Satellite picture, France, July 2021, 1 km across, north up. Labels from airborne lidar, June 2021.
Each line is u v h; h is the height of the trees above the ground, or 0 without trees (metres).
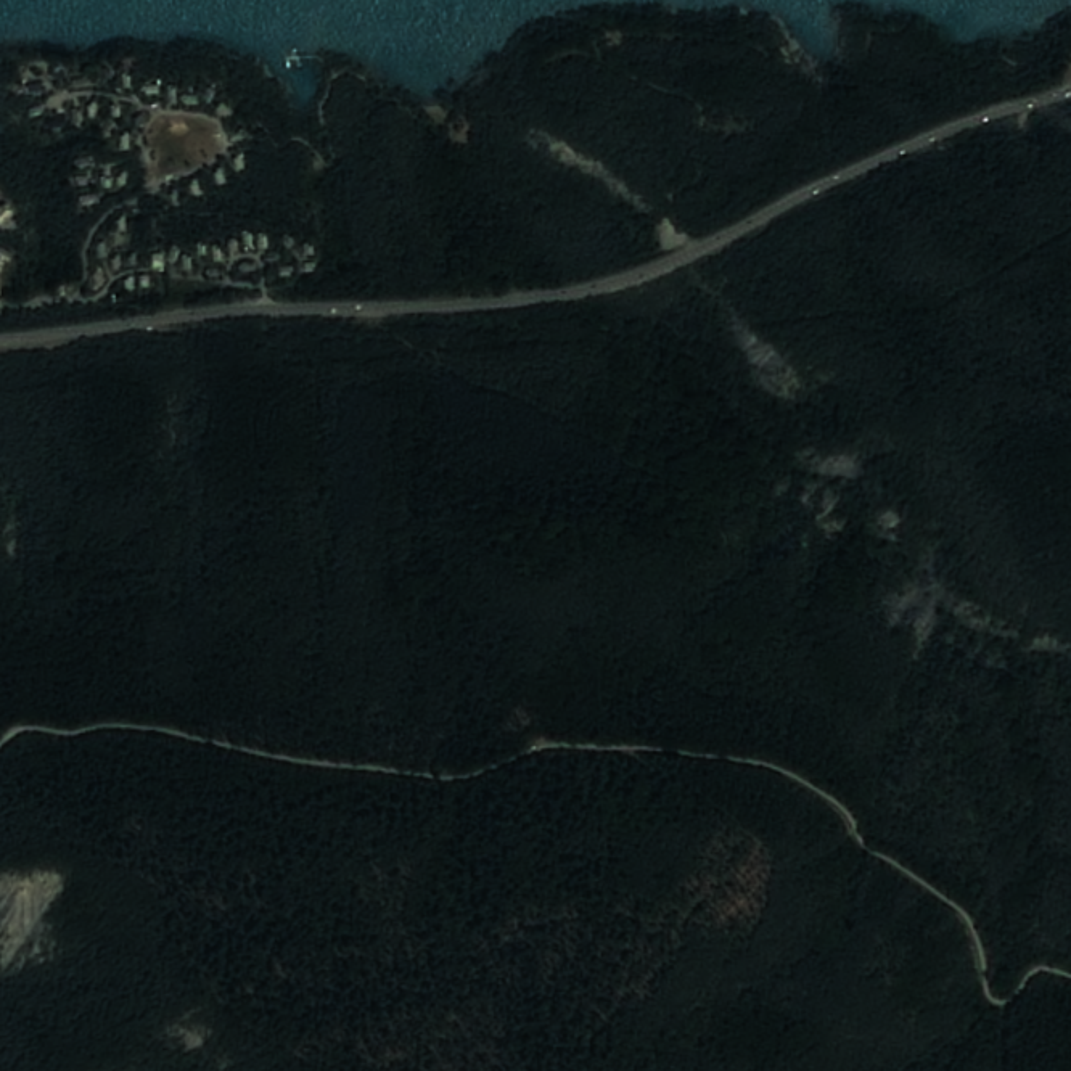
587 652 9
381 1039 14
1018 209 7
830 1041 7
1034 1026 11
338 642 10
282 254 7
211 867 18
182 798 14
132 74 10
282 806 9
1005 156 8
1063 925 6
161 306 10
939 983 7
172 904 14
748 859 11
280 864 12
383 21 0
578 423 14
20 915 0
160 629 9
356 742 17
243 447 13
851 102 11
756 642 17
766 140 9
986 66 6
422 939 17
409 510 9
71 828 9
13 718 8
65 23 0
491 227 14
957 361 9
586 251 7
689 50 10
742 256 7
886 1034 7
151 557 7
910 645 5
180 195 9
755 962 9
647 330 14
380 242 8
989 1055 7
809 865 6
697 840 11
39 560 8
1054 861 11
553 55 7
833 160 8
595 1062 11
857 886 9
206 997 8
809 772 10
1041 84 9
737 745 13
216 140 0
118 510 10
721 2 0
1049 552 8
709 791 15
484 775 6
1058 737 10
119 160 7
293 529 11
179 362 7
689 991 10
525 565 14
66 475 10
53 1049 8
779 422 16
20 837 8
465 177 13
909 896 9
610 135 8
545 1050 18
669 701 17
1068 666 8
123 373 9
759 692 17
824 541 7
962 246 10
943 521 8
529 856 12
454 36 0
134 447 7
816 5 0
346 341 6
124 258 6
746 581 12
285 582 7
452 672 14
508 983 13
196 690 10
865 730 8
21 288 15
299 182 8
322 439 9
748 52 9
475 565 11
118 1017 9
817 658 15
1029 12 0
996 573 6
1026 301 9
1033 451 13
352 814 9
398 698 10
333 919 11
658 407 14
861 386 7
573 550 17
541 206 10
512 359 10
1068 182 8
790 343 6
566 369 9
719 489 15
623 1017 17
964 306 7
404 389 12
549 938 14
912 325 12
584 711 11
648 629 11
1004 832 11
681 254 0
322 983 14
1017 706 9
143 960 8
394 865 9
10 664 10
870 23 9
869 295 13
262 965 12
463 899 15
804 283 8
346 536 6
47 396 7
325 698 14
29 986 6
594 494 18
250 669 11
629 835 13
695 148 8
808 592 16
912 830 9
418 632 13
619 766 13
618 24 10
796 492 8
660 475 14
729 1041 10
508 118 7
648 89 7
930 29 10
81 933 6
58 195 6
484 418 16
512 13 0
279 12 0
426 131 10
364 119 10
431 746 17
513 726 15
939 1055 11
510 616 10
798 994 10
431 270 7
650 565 13
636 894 13
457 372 9
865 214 8
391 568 12
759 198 8
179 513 15
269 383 10
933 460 8
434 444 13
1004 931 13
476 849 13
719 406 13
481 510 23
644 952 12
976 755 11
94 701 11
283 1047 9
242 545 14
